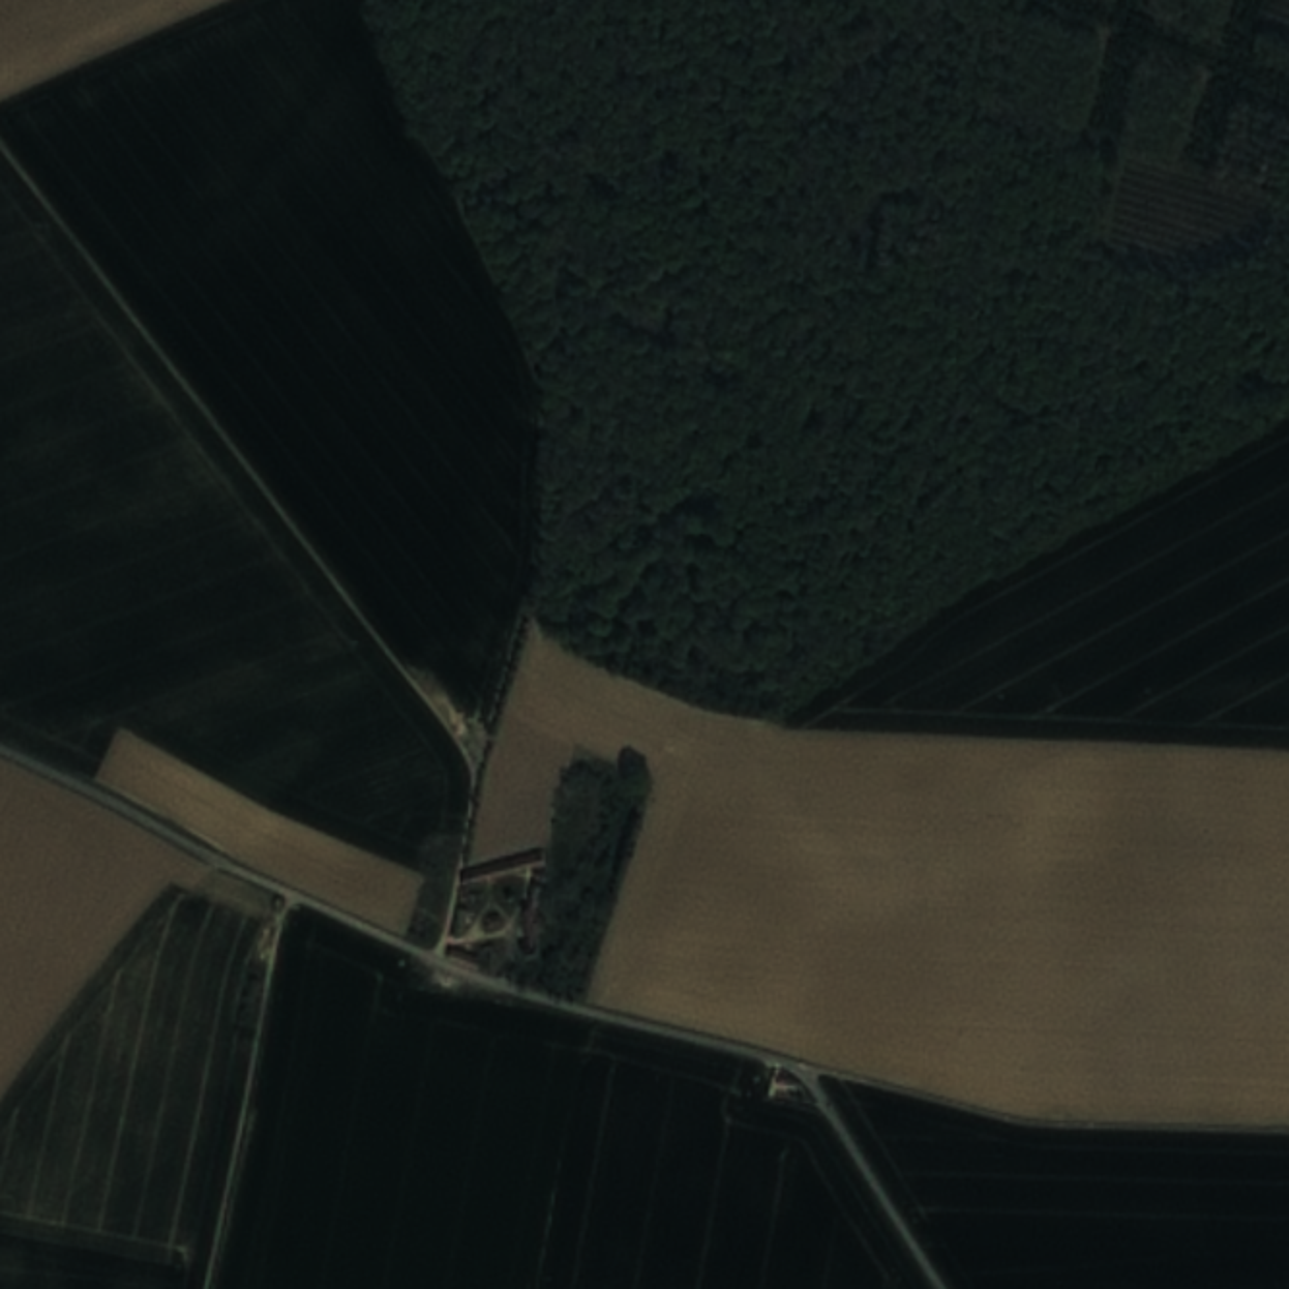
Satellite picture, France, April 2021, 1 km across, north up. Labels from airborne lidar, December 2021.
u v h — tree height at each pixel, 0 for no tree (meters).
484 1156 0
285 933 0
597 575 16
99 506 0
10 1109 0
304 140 0
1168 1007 0
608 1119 0
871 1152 0
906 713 0
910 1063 0
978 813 0
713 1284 0
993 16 22
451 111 17
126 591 0
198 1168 0
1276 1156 0
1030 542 16
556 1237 0
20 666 0
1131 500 11
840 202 24
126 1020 0
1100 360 23
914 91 23
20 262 0
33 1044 0
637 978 0
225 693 0
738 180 21
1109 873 0
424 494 0
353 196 0
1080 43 22
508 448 0
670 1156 0
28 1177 0
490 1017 0
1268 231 21
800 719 0
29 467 0
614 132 23
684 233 22
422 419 0
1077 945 0
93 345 0
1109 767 0
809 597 22
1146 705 0
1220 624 0
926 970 0
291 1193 0
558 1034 0
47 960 0
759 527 24
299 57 0
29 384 0
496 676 0
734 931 0
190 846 0
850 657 14
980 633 0
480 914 0
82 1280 0
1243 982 0
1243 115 18
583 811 0
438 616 0
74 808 0
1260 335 18
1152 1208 0
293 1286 0
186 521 0
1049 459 20
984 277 22
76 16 0
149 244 0
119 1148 0
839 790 0
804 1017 0
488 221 19
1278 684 0
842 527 24
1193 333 23
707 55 20
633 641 10
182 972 0
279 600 0
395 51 17
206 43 0
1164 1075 0
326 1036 0
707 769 0
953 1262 0
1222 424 18
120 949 0
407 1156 0
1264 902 0
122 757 0
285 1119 0
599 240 25
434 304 0
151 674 0
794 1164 0
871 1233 0
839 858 0
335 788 0
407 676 0
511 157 19
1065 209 18
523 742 0
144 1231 0
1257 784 0
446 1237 0
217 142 0
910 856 0
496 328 0
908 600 14
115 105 0
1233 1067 0
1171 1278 0
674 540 24
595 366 22
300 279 0
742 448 22
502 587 0
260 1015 0
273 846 0
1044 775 0
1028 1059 0
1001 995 0
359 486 0
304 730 0
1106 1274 0
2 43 0
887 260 25
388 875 0
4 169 0
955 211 22
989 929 0
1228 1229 0
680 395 24
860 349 20
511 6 20
